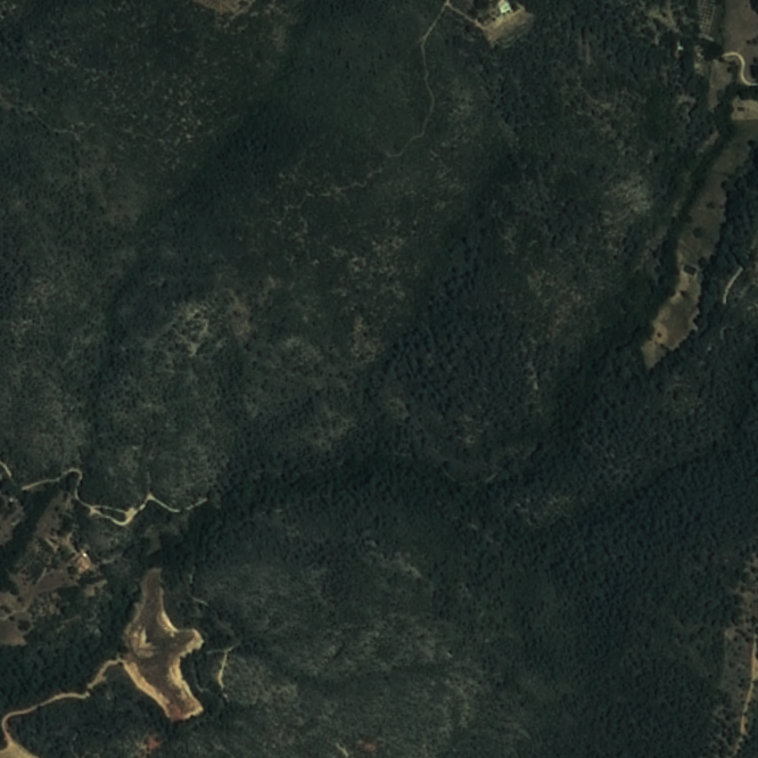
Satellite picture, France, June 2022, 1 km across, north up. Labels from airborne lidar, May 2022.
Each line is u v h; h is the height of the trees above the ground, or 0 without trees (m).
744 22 0
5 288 12
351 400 8
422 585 6
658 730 16
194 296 9
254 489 8
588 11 18
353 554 7
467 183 6
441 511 14
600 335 6
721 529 17
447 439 6
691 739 16
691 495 19
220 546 9
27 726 12
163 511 10
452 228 8
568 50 6
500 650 6
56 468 10
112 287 11
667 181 11
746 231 24
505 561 11
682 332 0
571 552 17
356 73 0
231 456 6
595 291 7
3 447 8
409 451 9
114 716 9
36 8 6
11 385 6
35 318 7
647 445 20
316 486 17
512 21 0
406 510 8
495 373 14
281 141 6
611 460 9
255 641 11
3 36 17
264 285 8
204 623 11
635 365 12
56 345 7
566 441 15
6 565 11
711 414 18
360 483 6
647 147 6
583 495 19
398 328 6
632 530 16
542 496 12
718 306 16
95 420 12
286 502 16
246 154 7
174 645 0
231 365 11
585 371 19
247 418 9
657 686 11
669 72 9
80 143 6
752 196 20
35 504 19
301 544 8
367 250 10
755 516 17
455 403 16
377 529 9
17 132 7
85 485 9
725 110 18
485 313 6
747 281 6
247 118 10
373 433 13
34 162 7
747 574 12
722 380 21
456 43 11
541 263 5
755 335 22
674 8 8
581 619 8
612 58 15
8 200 9
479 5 12
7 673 21
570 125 5
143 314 7
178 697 0
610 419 16
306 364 7
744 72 0
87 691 7
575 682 7
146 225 6
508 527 9
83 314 6
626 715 10
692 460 9
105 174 8
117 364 11
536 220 6
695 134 11
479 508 12
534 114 18
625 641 9
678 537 9
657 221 7
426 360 10
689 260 0
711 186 0
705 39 11
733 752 9
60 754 12
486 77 12
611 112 6
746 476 19
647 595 11
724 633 8
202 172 10
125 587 6
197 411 6
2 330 7
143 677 0
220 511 13
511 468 23
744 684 6
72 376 9
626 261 7
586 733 6
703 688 12
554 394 7
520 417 20
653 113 9
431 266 5
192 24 6
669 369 13
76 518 7
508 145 6
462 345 13
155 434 9
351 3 8
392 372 17
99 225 8
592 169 9
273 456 11
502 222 7
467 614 6
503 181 6
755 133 0
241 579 6
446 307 11
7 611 6
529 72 8
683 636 14
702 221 0
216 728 6
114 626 15
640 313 8
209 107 8
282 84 6
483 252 15
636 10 13
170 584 6
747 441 10
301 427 9
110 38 6
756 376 10
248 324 0
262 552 8
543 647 8
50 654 20
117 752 7
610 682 12
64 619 6
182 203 5
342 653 7
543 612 8
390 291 6
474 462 8
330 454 16
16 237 9
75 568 9
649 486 11
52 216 10
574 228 13
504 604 14
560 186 7
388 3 6
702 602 14
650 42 17
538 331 6
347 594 6
